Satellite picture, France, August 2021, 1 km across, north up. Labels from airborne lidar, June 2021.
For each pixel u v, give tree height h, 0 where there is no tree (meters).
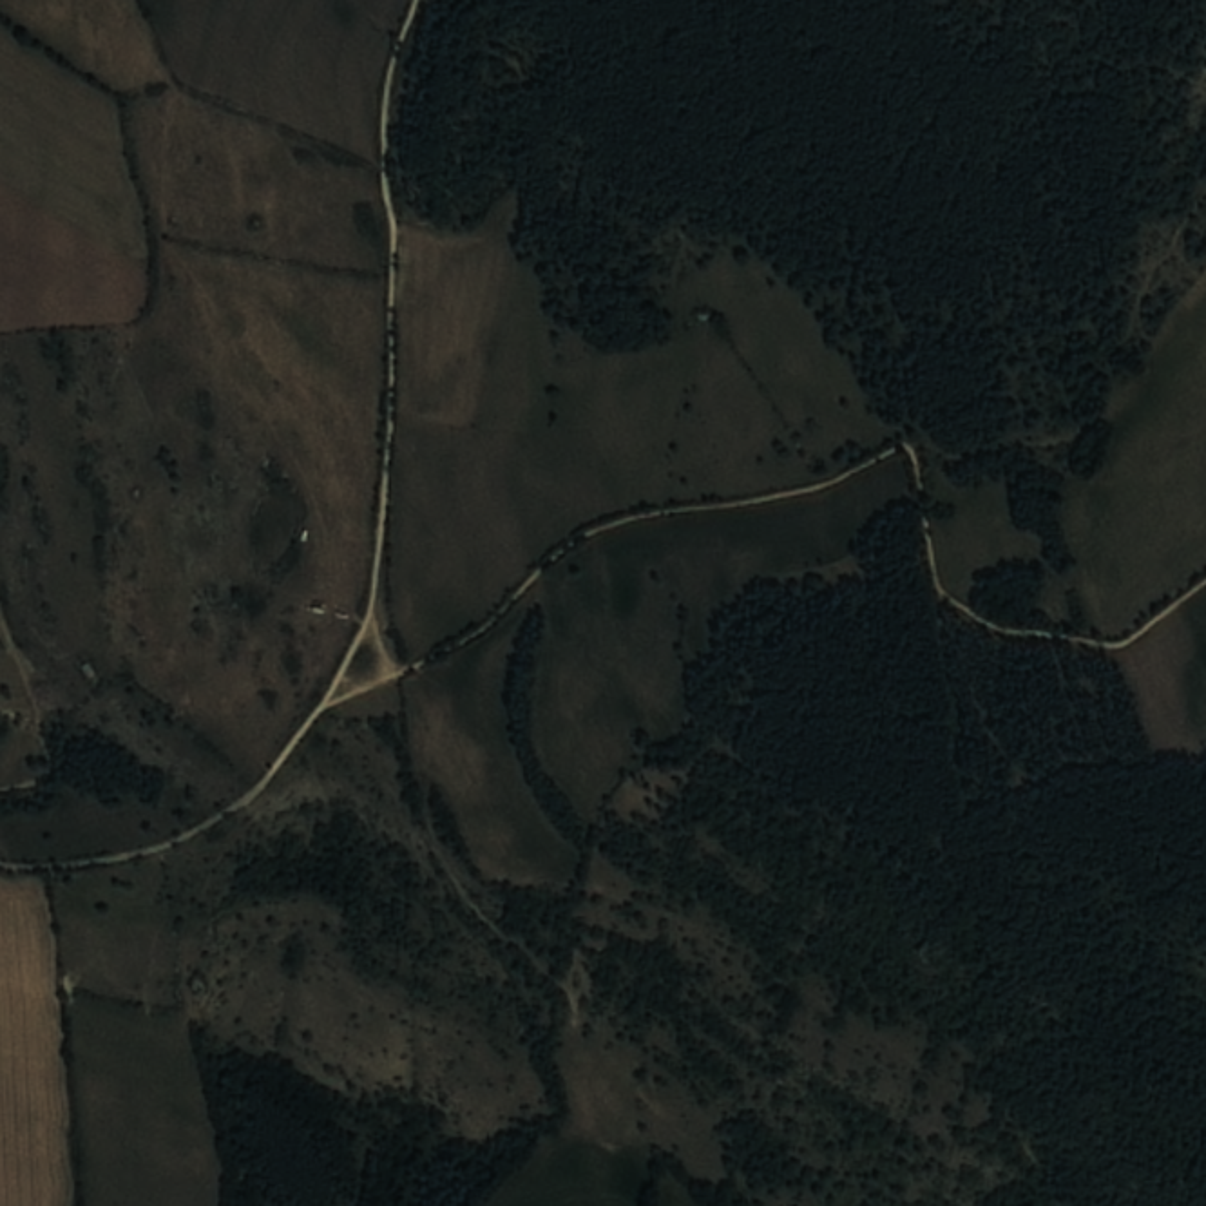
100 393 0
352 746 0
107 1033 0
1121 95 12
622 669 0
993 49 13
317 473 0
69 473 0
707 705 12
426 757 0
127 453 0
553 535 0
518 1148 13
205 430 0
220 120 0
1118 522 0
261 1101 17
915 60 12
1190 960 7
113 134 0
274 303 0
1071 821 13
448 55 8
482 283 0
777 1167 12
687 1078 6
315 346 0
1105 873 6
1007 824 11
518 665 16
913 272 14
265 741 0
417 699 0
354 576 0
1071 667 15
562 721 0
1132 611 0
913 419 9
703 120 15
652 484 0
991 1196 7
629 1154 0
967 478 11
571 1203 0
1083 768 9
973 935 7
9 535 0
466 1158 10
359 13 0
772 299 0
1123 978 13
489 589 0
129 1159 0
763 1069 8
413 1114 9
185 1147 0
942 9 8
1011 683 11
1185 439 0
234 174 0
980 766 10
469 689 0
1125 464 0
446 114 11
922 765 15
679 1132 0
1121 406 0
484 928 9
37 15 0
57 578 0
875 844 9
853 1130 8
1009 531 0
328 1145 12
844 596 12
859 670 14
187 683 0
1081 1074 10
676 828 8
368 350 0
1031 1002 7
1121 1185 9
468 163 14
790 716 13
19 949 0
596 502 0
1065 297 12
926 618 15
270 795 0
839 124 15
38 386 0
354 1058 0
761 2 15
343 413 0
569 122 13
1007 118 11
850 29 15
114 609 0
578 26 16
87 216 0
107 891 0
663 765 10
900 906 9
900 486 0
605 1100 0
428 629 0
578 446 0
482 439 0
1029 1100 15
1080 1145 10
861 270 13
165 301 0
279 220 0
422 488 0
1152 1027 11
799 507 0
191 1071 0
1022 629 12
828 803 13
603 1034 0
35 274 0
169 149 0
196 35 0
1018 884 7
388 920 7
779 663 14
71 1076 0
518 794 0
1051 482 13
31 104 0
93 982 0
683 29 15
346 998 0
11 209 0
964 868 11
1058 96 14
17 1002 0
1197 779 16
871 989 13
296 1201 10
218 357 0
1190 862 12
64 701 0
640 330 16
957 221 15
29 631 0
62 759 9
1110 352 7
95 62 0
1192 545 0
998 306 9
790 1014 9
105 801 12
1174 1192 8
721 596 0
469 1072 0
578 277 12
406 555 0
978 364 13
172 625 0
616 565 0
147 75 0
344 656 0
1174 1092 15
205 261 0
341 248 0
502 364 0
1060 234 9
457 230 8
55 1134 0
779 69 15
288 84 0
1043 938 13
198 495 0
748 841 8
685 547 0
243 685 0
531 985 11
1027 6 11
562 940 7
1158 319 9
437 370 0
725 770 6
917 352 14
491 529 0
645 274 9
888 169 13
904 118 13
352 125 0
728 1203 15
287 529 0
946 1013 12
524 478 0
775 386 0
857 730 13
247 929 0
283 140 0
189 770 0
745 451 0
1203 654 0
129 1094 0
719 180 15
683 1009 9
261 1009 0
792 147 15
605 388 0
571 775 0
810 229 12
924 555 15
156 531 0
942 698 15
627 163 17
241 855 8
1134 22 9
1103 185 12
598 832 9
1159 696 0
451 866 0
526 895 9
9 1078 0
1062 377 13
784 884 6
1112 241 10
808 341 0
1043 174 13
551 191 14
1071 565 11
